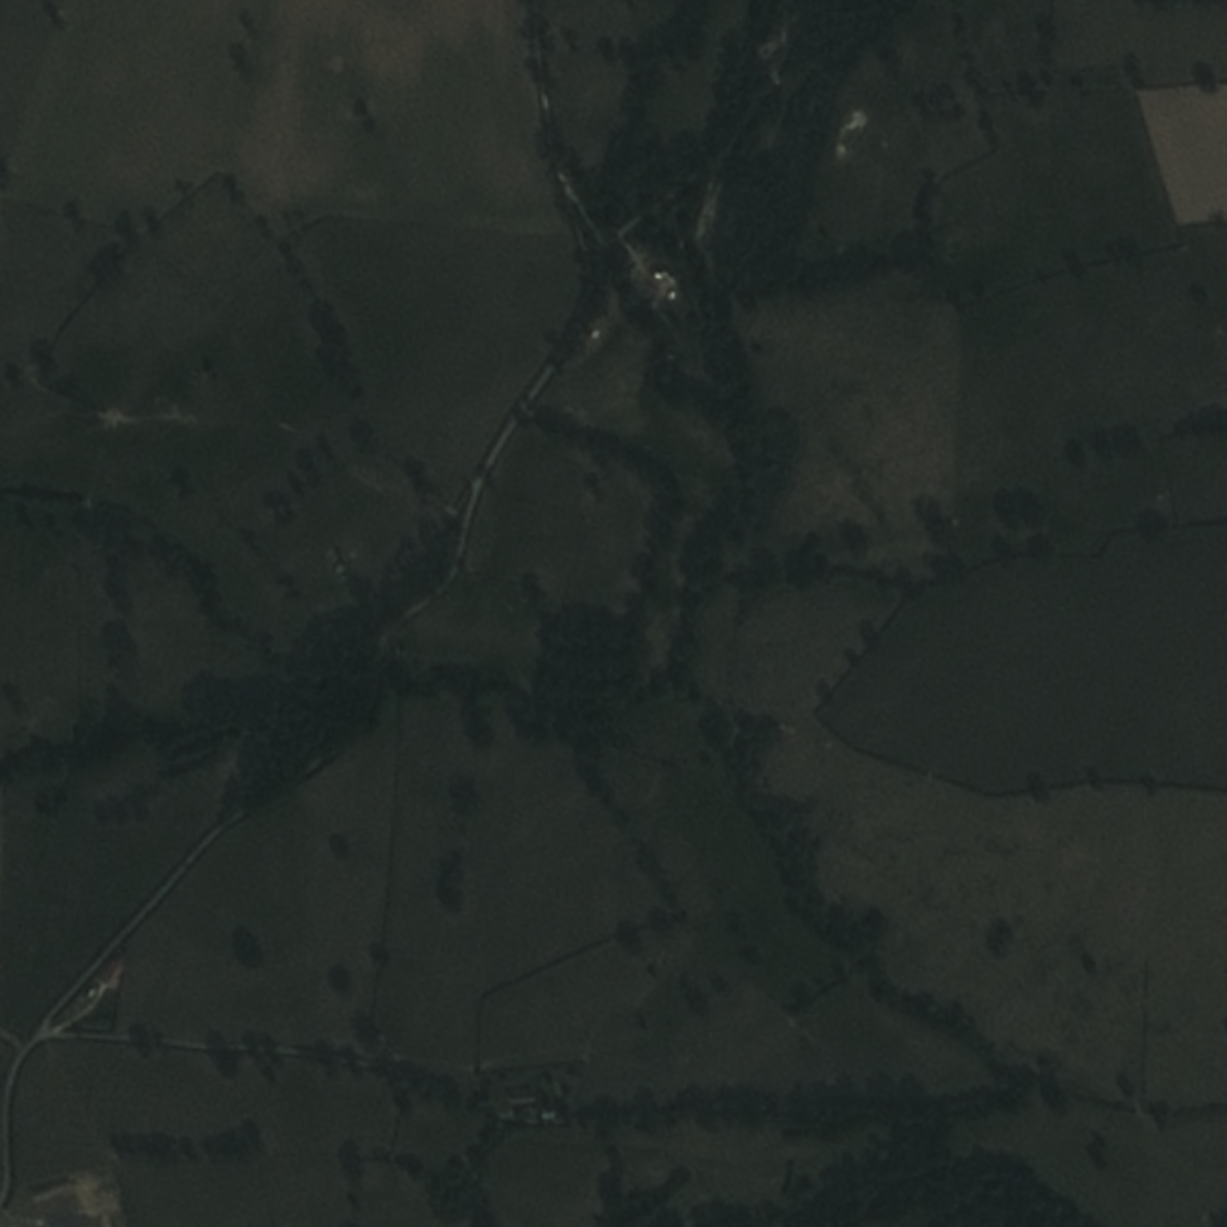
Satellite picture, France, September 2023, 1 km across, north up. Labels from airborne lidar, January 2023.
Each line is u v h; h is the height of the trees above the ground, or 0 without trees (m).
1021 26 0
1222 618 0
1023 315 0
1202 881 0
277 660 22
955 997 0
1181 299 0
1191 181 0
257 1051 18
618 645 22
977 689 0
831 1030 0
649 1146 0
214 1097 0
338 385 18
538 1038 0
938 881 0
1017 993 0
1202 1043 0
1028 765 0
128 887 0
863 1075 0
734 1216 13
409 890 0
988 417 0
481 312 0
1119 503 0
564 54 0
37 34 0
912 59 0
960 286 0
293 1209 0
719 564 20
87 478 0
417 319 0
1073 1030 0
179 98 0
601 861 0
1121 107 0
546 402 0
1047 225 0
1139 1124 0
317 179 0
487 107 0
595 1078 0
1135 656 0
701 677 0
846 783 0
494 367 0
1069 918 0
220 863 0
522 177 0
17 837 0
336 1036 0
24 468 0
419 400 0
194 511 0
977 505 0
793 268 17
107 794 0
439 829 0
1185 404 0
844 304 0
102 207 0
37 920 0
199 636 0
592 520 0
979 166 0
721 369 27
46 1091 0
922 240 14
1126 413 0
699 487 0
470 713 12
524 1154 0
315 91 0
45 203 0
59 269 0
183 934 0
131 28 0
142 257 0
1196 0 14
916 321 0
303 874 0
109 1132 0
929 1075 0
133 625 0
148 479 0
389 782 0
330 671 24
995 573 0
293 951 0
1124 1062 0
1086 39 0
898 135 0
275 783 16
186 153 0
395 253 0
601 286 15
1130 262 17
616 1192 18
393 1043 0
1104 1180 0
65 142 0
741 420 24
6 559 0
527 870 0
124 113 0
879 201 0
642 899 0
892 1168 16
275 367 0
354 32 0
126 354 0
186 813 0
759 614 0
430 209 0
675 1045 0
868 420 0
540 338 0
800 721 0
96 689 0
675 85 0
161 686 0
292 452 0
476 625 0
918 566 0
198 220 0
